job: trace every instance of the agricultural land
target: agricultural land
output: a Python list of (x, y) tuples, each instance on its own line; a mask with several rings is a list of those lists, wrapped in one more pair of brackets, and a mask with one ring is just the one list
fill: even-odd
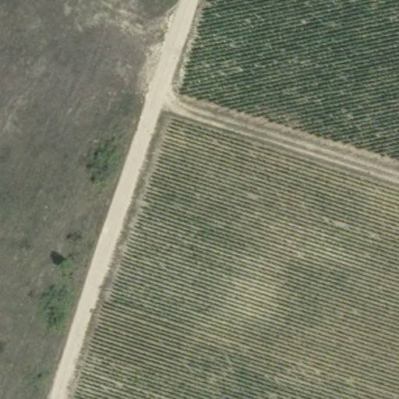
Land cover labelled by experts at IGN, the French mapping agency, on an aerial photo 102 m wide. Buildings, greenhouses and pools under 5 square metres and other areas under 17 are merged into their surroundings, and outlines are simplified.
[(55, 309), (64, 298), (64, 293), (75, 296), (78, 301), (83, 293), (87, 271), (94, 257), (104, 220), (108, 217), (114, 193), (111, 189), (100, 189), (95, 182), (90, 182), (87, 162), (94, 157), (95, 148), (103, 148), (108, 139), (128, 154), (139, 126), (148, 83), (153, 81), (157, 64), (161, 59), (161, 44), (168, 30), (165, 16), (173, 14), (179, 0), (0, 0), (0, 399), (48, 399), (64, 354), (70, 326), (65, 321), (56, 323)]

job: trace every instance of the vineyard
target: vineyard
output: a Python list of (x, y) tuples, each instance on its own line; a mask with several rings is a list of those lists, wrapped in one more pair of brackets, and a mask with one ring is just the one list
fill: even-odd
[(246, 112), (252, 117), (267, 118), (268, 122), (301, 129), (313, 136), (349, 143), (360, 150), (399, 159), (399, 0), (199, 0), (171, 79), (173, 92), (179, 95), (189, 95), (196, 100), (221, 104), (224, 108)]
[(265, 142), (268, 134), (265, 132), (249, 129), (249, 136), (246, 137), (228, 129), (196, 122), (189, 117), (171, 111), (161, 111), (157, 117), (147, 156), (123, 221), (122, 234), (115, 243), (108, 274), (100, 285), (97, 304), (90, 312), (83, 346), (76, 358), (75, 373), (67, 385), (69, 399), (399, 399), (399, 184)]

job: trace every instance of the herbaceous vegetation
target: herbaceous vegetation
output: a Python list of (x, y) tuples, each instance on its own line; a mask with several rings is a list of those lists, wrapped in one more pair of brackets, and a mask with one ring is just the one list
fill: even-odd
[(252, 117), (246, 112), (224, 108), (221, 104), (196, 100), (189, 95), (179, 95), (182, 103), (189, 104), (185, 111), (189, 112), (189, 117), (196, 122), (228, 129), (246, 137), (249, 136), (249, 129), (265, 132), (268, 134), (265, 142), (399, 184), (399, 159), (360, 150), (349, 143), (313, 136), (301, 129), (268, 122), (267, 118)]

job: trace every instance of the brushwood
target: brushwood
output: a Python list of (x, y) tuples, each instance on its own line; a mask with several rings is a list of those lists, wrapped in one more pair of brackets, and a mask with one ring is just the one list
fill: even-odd
[(65, 321), (70, 326), (78, 301), (75, 296), (64, 293), (64, 298), (55, 309), (56, 323)]
[(128, 154), (108, 139), (103, 148), (95, 148), (94, 157), (87, 162), (90, 182), (95, 182), (100, 189), (111, 189), (114, 193)]

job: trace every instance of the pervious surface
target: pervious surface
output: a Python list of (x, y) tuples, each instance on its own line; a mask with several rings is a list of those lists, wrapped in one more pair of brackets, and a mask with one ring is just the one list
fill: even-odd
[(100, 285), (108, 274), (115, 243), (122, 234), (123, 221), (147, 156), (157, 117), (161, 111), (171, 111), (189, 117), (189, 112), (185, 111), (189, 104), (182, 103), (179, 95), (173, 92), (171, 79), (199, 0), (179, 0), (173, 14), (165, 16), (168, 30), (161, 44), (161, 59), (157, 64), (153, 81), (148, 83), (139, 126), (128, 154), (114, 193), (108, 217), (104, 220), (94, 257), (87, 271), (83, 293), (78, 301), (70, 326), (64, 354), (48, 399), (69, 399), (67, 385), (75, 373), (76, 358), (83, 346), (90, 312), (97, 304)]

